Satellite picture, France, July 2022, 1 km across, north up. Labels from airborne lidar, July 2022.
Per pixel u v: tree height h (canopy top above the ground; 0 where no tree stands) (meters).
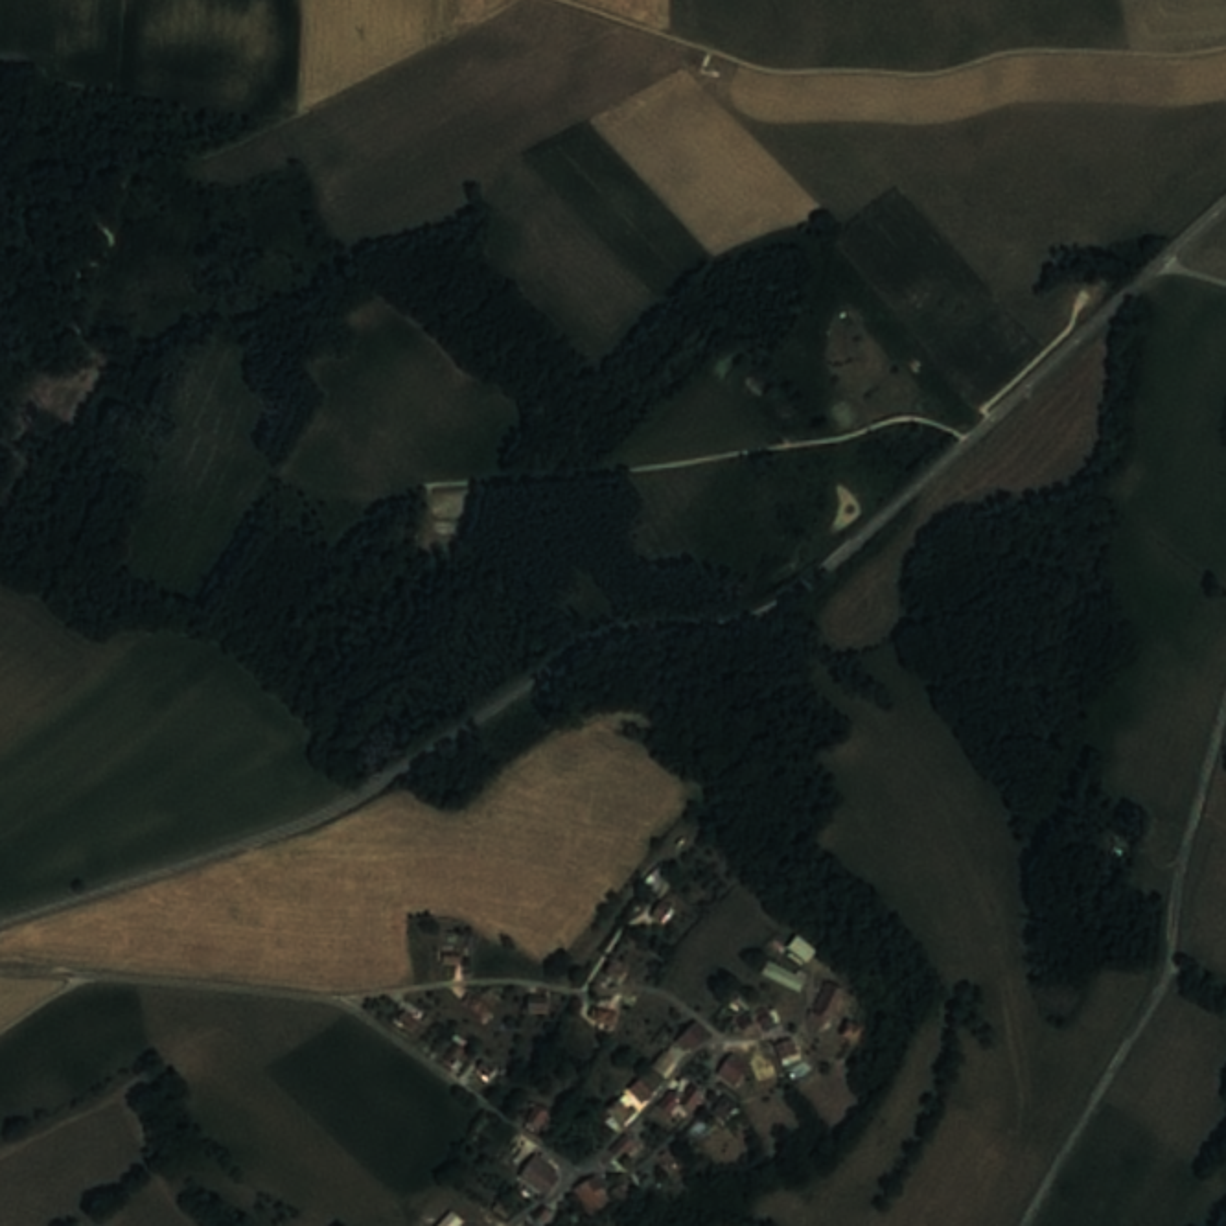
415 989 0
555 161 0
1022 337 0
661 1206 17
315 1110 0
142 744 0
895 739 0
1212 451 0
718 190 0
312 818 0
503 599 14
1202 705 0
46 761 0
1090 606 24
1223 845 0
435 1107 0
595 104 0
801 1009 0
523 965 0
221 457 0
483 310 17
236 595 16
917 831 0
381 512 15
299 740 0
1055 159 0
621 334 0
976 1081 0
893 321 0
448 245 17
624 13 0
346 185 0
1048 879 21
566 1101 14
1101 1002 0
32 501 14
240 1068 0
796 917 23
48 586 14
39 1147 0
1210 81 0
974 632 27
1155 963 13
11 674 0
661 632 25
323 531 8
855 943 34
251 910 0
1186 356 0
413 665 23
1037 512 23
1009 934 0
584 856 0
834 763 0
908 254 0
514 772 0
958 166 0
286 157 0
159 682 0
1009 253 0
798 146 0
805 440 0
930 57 0
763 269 9
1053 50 0
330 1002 0
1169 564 0
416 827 0
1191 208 0
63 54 0
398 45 0
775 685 24
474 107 0
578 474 11
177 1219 0
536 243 0
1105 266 25
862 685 26
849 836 0
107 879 0
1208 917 0
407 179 0
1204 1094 0
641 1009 0
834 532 0
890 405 0
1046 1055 0
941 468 0
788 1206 0
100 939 0
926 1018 23
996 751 23
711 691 30
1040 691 25
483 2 0
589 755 0
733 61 0
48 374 16
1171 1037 0
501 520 23
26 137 24
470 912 0
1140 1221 0
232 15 0
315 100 0
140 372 17
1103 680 17
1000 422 0
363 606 10
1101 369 0
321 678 19
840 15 0
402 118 0
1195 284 0
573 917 0
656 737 10
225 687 0
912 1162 11
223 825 0
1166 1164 0
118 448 18
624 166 0
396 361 0
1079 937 23
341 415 0
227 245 12
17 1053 0
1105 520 19
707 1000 0
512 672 17
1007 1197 0
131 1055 0
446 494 0
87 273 18
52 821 0
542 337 19
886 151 0
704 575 21
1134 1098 0
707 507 0
